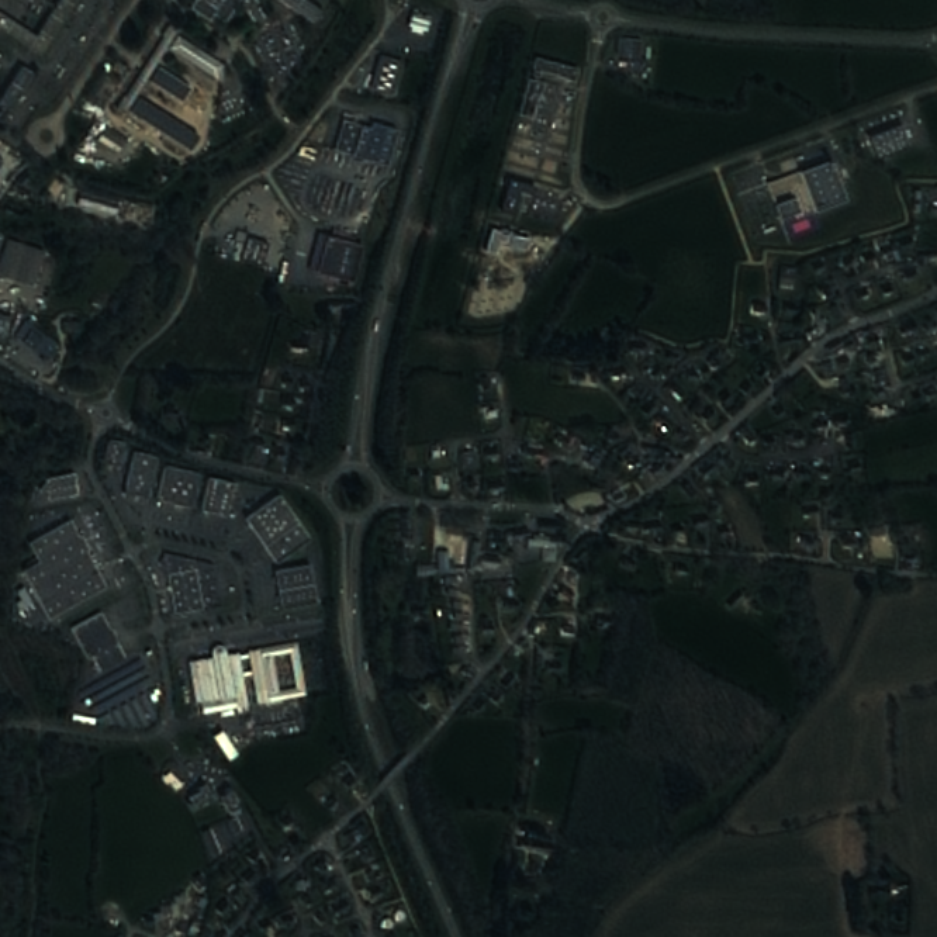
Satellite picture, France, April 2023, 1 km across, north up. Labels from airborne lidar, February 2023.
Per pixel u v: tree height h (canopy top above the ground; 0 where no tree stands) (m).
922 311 0
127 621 0
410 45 0
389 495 0
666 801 19
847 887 15
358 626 0
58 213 11
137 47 10
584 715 0
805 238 0
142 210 0
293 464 13
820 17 0
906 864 0
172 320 0
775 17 10
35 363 0
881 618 0
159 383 18
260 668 0
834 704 0
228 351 0
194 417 0
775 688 0
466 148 0
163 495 0
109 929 9
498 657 0
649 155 0
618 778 17
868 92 0
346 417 7
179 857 0
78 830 0
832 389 0
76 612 0
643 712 17
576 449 0
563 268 0
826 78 0
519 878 20
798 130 0
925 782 0
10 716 15
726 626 0
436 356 0
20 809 27
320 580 0
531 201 0
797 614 9
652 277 0
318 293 7
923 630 0
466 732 0
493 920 10
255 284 0
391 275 0
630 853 20
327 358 10
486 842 0
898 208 0
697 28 0
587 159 0
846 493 6
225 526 0
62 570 0
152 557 0
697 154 0
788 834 12
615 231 0
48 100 0
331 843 0
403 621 10
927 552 0
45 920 11
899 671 0
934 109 0
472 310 0
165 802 0
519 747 14
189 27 14
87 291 0
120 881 0
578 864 20
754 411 0
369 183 0
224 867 8
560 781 0
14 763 17
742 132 0
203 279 0
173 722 0
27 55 0
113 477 0
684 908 0
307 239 0
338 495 0
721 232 0
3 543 19
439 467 0
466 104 0
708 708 18
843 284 0
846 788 0
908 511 0
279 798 0
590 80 0
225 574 0
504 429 0
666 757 19
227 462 6
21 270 0
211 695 0
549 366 11
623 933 0
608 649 8
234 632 0
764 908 0
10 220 0
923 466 0
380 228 0
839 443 0
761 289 0
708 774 20
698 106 8
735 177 0
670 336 0
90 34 0
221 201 0
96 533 0
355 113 0
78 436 12
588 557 9
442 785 0
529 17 0
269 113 10
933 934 0
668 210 0
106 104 0
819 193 0
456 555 0
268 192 0
